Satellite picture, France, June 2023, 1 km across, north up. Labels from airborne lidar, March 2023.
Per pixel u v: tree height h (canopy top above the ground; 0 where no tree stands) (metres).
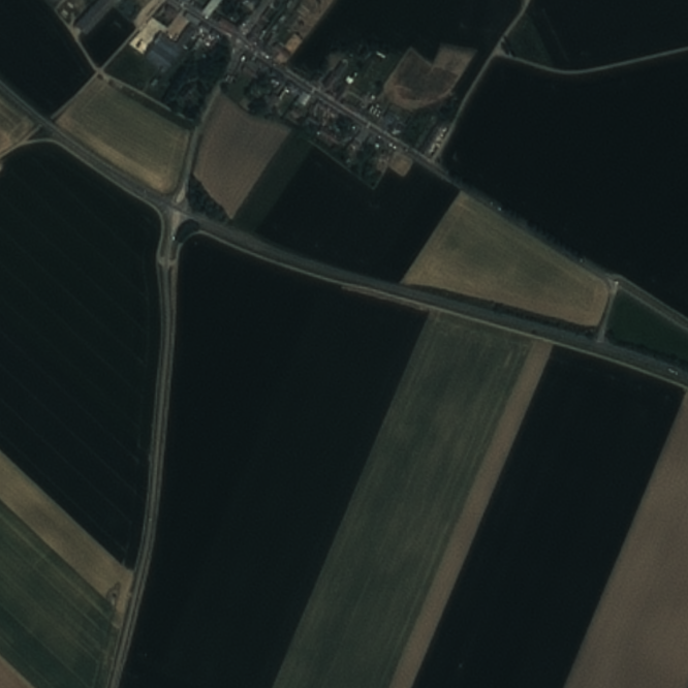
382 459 0
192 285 0
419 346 0
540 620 0
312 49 0
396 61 0
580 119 0
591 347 0
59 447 0
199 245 0
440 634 0
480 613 0
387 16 0
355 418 0
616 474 0
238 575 0
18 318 0
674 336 0
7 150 0
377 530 0
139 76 0
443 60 0
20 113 0
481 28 0
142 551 0
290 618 0
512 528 0
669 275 0
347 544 0
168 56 0
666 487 0
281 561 0
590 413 0
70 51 0
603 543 0
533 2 0
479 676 0
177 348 0
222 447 0
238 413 0
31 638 0
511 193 0
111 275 0
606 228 0
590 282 0
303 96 0
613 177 0
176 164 0
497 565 0
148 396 0
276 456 0
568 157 0
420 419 0
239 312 0
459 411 0
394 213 0
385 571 0
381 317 0
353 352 0
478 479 0
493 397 0
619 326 0
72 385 0
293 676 0
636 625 0
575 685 0
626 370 0
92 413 0
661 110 0
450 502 0
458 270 0
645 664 0
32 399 0
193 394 0
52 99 0
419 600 0
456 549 0
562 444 0
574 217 0
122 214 0
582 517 0
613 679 0
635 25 0
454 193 0
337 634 0
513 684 0
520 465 0
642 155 0
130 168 0
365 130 0
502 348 0
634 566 0
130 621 0
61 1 0
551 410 0
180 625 0
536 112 0
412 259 0
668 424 0
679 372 0
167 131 0
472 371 0
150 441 0
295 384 0
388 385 0
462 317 0
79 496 0
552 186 0
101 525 0
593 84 0
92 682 0
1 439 0
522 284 0
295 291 0
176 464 0
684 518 0
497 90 0
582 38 0
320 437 0
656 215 0
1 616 0
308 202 0
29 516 0
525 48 0
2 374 0
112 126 0
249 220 0
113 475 0
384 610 0
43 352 0
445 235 0
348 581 0
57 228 0
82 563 0
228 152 0
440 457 0
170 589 0
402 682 0
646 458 0
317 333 0
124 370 0
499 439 0
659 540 0
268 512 0
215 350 0
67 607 0
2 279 0
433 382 0
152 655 0
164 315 0
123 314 0
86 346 0
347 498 0
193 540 0
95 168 0
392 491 0
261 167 0
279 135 0
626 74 0
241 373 0
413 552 0
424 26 0
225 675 0
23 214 0
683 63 0
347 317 0
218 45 12
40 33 0
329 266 0
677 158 0
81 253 0
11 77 0
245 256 0
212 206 19
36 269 0
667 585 0
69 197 0
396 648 0
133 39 0
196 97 0
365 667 0
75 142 0
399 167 0
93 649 0
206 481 0
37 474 0
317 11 0
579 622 0
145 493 0
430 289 0
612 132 0
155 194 0
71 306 0
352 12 0
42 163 0
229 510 0
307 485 0
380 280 0
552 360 0
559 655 0
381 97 0
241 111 0
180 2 0
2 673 0
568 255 0
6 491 0
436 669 0
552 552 0
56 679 0
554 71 0
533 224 11
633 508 0
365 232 0
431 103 0
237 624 0
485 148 0
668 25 0
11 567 0
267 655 0
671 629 0
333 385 0
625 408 0
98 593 0
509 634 0
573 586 0
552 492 0
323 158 0
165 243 0
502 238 0
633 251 0
